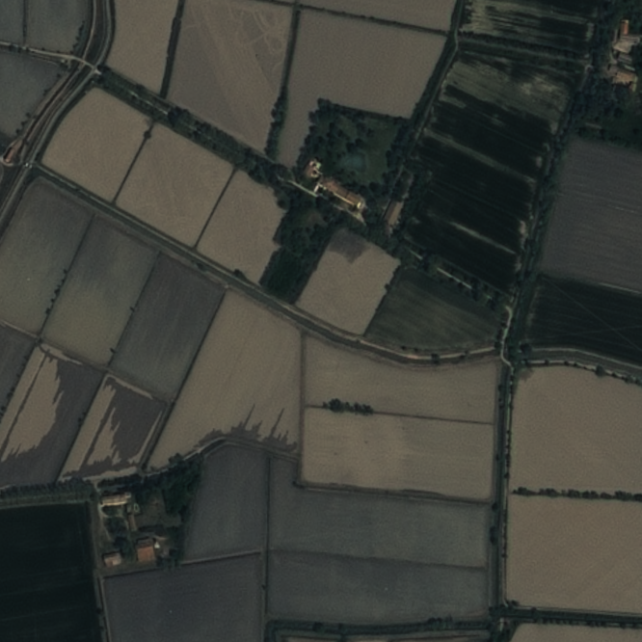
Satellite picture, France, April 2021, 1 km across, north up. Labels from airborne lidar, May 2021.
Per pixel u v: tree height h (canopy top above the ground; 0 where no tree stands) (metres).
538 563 0
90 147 0
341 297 0
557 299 0
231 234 0
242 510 0
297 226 8
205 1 0
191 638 0
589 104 23
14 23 0
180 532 8
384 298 6
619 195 0
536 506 0
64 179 0
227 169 0
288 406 0
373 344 0
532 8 0
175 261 0
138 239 0
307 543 0
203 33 0
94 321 0
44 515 0
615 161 0
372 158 0
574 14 0
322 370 0
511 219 0
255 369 0
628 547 0
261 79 0
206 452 6
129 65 0
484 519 0
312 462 0
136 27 0
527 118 0
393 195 15
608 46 22
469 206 0
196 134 10
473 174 0
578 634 0
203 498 0
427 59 0
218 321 0
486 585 0
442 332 0
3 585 0
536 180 0
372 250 0
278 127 13
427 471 0
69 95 0
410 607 0
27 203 0
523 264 0
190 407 0
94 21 0
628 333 0
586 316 0
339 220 7
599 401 0
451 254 0
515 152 0
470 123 0
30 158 0
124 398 0
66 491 23
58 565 0
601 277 0
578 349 0
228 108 0
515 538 0
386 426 0
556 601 0
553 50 15
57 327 0
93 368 0
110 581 0
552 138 0
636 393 0
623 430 0
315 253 9
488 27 0
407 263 14
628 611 0
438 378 0
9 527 0
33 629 0
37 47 0
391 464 0
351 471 0
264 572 0
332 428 0
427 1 0
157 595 0
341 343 0
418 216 0
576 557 0
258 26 0
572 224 0
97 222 0
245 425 0
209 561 0
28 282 0
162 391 0
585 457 0
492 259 0
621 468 0
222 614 0
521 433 0
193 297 0
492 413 0
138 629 0
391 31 0
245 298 0
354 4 0
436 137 0
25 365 6
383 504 0
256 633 0
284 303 0
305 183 14
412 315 0
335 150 16
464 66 0
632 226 0
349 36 0
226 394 0
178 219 0
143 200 0
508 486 0
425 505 0
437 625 14
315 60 0
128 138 0
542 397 0
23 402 0
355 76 0
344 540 0
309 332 0
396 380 0
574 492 10
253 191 0
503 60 0
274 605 0
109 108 0
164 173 0
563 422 0
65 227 0
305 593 0
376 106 0
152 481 8
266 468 0
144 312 0
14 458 0
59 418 0
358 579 0
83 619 0
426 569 0
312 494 0
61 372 0
